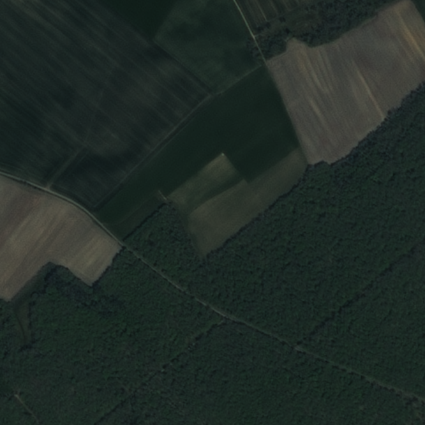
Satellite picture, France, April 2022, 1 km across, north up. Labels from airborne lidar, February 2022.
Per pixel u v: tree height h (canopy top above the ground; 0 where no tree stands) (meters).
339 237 19
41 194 0
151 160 0
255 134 0
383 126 12
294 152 0
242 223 0
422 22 0
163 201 0
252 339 24
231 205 0
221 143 0
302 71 0
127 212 0
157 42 0
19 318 0
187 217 0
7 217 0
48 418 24
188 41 0
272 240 24
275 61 0
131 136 0
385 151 29
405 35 0
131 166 0
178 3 0
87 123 0
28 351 22
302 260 23
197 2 0
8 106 0
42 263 0
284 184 0
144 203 0
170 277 18
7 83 0
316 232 26
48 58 0
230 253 25
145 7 0
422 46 0
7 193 0
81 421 22
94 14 0
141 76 0
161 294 20
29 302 0
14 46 0
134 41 0
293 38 17
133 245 17
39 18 0
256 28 0
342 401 20
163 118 0
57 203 0
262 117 0
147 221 11
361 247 23
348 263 21
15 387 22
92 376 26
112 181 0
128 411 28
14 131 0
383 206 24
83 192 0
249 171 0
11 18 0
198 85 0
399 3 0
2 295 0
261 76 0
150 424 26
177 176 0
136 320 20
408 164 22
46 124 0
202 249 0
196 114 0
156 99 0
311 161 0
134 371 22
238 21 0
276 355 22
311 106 0
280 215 26
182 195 0
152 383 20
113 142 0
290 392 19
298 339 18
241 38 0
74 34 0
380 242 23
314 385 21
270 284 22
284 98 0
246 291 21
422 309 22
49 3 0
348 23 24
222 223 0
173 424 22
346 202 27
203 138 0
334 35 17
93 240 0
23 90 0
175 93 0
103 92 0
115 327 20
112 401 26
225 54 0
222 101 0
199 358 19
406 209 23
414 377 23
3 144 0
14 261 0
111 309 23
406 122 24
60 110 0
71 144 0
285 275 23
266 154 0
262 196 0
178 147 0
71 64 0
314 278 23
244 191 0
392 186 24
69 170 0
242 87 0
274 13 0
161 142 0
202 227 0
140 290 18
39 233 0
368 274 20
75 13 0
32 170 0
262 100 0
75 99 0
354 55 0
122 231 0
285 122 0
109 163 0
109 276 18
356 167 20
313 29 0
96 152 0
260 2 0
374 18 0
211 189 0
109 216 0
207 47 0
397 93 0
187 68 0
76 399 23
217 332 21
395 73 0
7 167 0
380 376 19
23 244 0
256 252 24
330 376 20
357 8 14
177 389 22
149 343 20
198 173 0
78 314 21
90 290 17
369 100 0
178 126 0
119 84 0
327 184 22
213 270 23
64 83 0
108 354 21
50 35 0
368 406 24
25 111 0
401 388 20
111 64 0
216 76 0
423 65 0
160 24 0
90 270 0
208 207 0
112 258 0
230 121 0
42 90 0
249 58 0
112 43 0
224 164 0
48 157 0
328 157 0
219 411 19
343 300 21
